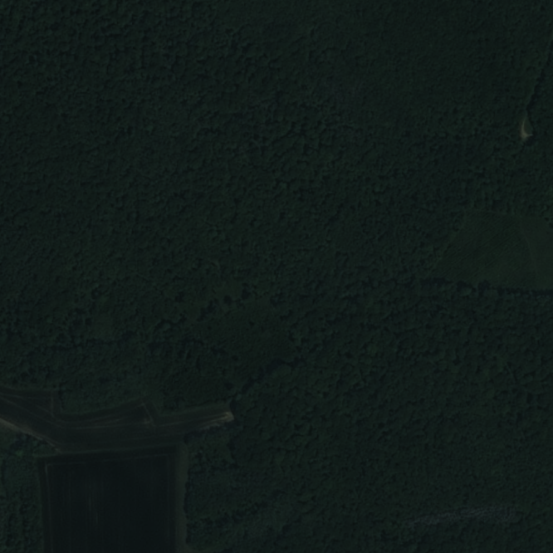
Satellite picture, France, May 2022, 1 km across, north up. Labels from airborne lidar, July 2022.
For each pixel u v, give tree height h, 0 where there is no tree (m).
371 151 23
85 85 18
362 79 21
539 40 21
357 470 18
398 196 22
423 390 25
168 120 17
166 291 15
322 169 21
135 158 19
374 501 19
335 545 31
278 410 29
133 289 17
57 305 16
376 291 26
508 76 24
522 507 18
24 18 20
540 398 27
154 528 0
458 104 17
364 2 19
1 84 20
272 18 18
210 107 22
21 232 15
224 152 22
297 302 28
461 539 13
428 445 20
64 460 0
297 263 20
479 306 28
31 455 17
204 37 30
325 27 23
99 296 26
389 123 20
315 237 22
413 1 20
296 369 26
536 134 16
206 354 25
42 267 19
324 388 28
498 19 24
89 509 0
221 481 28
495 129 18
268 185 18
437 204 17
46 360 26
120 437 0
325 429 22
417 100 19
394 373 23
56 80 14
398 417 23
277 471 25
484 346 26
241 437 31
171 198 17
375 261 21
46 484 0
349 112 23
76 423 0
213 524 24
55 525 0
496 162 18
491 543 27
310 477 22
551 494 19
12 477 26
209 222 17
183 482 0
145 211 14
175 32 23
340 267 22
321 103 13
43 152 16
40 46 24
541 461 17
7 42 16
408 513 20
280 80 23
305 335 25
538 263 0
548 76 18
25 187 20
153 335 13
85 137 17
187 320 23
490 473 20
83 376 19
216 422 0
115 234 17
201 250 17
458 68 18
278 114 24
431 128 24
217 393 6
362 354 23
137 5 22
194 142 22
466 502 20
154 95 20
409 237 21
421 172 23
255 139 19
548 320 30
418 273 28
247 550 27
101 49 25
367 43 18
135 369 18
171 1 19
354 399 23
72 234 18
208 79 27
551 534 25
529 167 18
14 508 15
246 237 19
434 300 27
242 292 0
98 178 15
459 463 20
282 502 25
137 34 23
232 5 18
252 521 29
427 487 19
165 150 18
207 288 18
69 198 18
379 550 20
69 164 22
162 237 15
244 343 7
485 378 25
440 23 18
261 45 24
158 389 12
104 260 16
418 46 19
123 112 21
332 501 24
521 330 27
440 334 31
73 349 25
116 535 0
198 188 17
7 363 22
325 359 26
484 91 19
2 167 19
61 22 21
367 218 20
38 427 0
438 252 19
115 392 24
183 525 0
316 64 25
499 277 0
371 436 19
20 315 26
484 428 22
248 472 22
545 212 22
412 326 22
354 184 19
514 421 17
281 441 27
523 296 26
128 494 0
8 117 19
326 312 25
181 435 0
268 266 18
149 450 0
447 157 33
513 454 19
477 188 21
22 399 0
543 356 25
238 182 21
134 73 25
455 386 25
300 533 31
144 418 0
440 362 28
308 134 27
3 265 17
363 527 29
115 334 15
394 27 22
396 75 19
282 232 20
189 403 7
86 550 0
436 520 25
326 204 24
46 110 23
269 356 6
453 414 15
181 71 24
